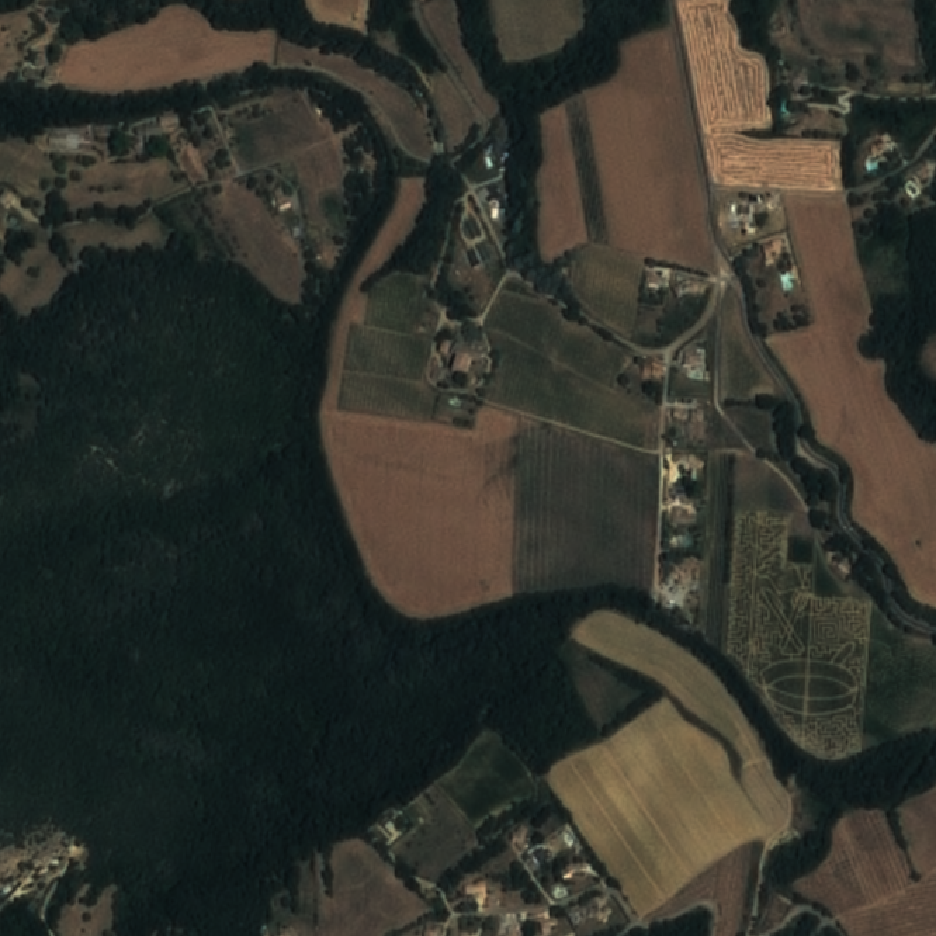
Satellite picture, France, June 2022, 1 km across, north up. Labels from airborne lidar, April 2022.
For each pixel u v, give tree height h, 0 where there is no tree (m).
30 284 0
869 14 0
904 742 14
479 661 13
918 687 0
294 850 22
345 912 0
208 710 8
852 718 0
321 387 9
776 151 0
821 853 11
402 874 14
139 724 16
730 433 0
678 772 0
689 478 9
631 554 0
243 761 19
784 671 0
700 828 0
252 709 14
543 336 0
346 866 0
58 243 18
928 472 0
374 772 22
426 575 0
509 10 0
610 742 0
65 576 14
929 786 13
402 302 0
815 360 0
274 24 16
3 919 7
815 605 0
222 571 11
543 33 0
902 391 21
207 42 0
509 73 14
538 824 14
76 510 12
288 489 13
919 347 15
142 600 10
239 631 13
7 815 6
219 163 8
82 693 15
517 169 14
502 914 0
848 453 0
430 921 9
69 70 0
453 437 0
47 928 11
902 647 0
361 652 13
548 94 18
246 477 11
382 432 0
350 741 18
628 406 0
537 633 11
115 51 0
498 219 0
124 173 0
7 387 14
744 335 0
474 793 0
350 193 7
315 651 13
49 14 13
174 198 7
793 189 0
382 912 0
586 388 0
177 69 0
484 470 0
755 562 0
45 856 0
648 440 0
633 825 0
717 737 0
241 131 0
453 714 15
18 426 11
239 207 0
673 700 0
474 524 0
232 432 9
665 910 0
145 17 18
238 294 8
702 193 0
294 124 0
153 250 10
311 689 18
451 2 0
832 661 0
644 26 8
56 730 10
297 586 17
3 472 7
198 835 11
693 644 11
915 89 0
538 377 0
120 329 8
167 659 11
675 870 0
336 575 19
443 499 0
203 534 10
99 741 12
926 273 17
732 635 0
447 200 11
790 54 0
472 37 13
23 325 12
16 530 8
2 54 0
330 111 11
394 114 0
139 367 7
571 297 13
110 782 9
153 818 6
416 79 10
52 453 6
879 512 0
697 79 0
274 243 0
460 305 16
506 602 7
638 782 0
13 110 21
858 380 0
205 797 14
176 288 8
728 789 0
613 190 0
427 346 0
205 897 24
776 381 0
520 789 0
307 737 16
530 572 0
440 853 0
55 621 12
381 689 13
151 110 12
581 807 0
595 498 0
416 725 16
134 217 11
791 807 0
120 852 8
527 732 13
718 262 0
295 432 23
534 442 0
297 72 7
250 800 16
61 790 7
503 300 0
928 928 0
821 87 6
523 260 14
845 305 0
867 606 0
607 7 16
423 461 0
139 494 6
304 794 16
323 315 14
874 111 9
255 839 21
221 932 13
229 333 7
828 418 0
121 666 7
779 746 13
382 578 0
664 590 0
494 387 0
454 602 0
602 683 0
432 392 0
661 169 0
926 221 14
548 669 20
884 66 0
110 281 12
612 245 0
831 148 0
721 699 0
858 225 8
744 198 6
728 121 0
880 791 13
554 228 0
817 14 0
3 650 10
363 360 0
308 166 0
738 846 0
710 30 0
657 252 0
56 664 14
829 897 0
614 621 0
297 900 8
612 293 0
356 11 0
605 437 0
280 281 0
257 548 12
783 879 11
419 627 11
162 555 6
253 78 15
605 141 0
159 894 15
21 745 7
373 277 8
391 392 0
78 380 8
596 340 0
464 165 10
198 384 6
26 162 0
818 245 0
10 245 15
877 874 0
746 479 0
